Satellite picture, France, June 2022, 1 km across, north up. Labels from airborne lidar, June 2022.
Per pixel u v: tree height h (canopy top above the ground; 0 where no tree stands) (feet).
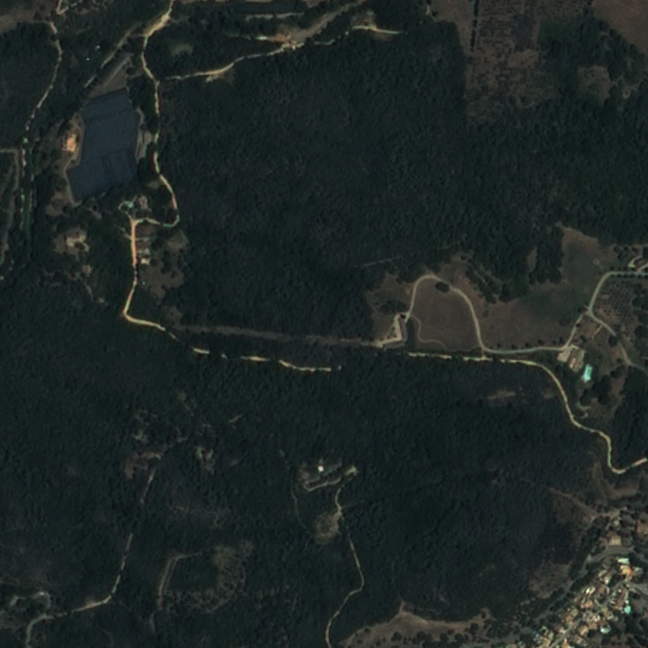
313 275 72
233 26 81
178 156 31
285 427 30
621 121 38
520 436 50
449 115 44
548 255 38
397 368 52
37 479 31
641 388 35
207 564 32
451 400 33
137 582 25
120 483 31
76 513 21
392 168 42
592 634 49
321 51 63
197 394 28
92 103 0
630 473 22
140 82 0
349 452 30
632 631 58
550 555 22
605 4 0
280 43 20
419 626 0
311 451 25
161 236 26
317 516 21
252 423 22
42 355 23
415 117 26
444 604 35
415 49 31
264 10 0
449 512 57
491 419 44
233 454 26
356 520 51
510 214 41
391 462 41
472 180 31
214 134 30
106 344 19
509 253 34
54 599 29
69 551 34
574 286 0
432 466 41
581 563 26
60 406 23
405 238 24
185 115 52
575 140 62
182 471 48
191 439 26
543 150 36
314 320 43
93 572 45
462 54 33
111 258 51
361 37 40
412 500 54
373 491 48
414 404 42
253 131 20
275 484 29
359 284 41
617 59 33
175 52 0
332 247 29
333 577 37
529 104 27
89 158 0
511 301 60
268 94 24
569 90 30
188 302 53
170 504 42
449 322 0
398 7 31
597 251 0
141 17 22
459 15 0
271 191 23
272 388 59
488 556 39
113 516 21
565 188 30
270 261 42
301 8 41
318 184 24
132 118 0
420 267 23
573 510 30
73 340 19
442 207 44
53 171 39
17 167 23
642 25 0
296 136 31
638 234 31
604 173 41
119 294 40
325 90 20
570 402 17
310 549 41
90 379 27
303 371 35
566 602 30
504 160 37
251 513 20
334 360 34
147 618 38
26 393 36
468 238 29
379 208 23
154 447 59
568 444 38
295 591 21
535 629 33
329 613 19
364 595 22
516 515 36
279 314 33
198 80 21
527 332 0
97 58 19
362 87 52
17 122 32
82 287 23
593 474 25
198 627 33
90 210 31
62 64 34
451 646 31
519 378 30
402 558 32
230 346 58
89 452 32
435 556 49
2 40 44
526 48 53
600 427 23
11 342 28
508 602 31
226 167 32
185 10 20
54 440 43
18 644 28
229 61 31
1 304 51
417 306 0
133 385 26
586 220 23
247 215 25
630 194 43
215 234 22
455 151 50
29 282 40
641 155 36
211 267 31
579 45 42
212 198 31
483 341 0
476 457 24
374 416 23
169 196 44
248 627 26
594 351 0
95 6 31
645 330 45
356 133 24
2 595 30
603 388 52
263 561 30
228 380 39
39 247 35
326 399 36
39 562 23
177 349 37
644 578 29
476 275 37
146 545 37
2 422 20
